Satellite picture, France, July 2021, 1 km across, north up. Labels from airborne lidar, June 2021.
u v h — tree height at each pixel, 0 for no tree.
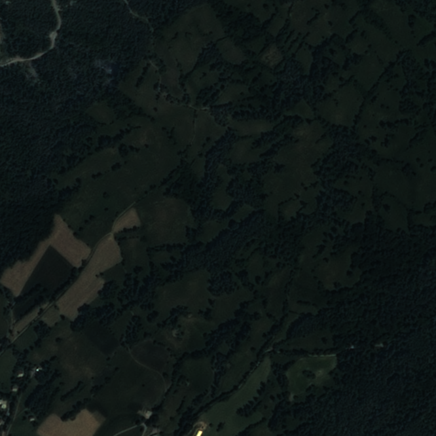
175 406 0
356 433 23
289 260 14
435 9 25
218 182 7
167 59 0
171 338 0
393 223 0
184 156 8
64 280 0
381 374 27
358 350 14
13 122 9
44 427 0
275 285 0
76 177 0
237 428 0
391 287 27
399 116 0
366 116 0
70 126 22
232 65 12
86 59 15
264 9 9
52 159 18
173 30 0
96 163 0
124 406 0
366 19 7
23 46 24
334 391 6
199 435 0
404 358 28
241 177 10
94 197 0
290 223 10
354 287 6
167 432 0
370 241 22
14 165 17
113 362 0
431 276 22
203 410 11
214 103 10
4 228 17
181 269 8
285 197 0
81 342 0
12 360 0
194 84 0
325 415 14
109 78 13
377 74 0
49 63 14
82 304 0
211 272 31
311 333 12
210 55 13
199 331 0
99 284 0
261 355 9
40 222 28
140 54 12
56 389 7
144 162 0
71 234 0
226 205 0
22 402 0
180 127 0
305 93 18
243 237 20
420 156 0
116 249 0
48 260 0
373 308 13
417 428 22
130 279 24
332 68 16
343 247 16
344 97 0
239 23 11
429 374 11
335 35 11
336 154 11
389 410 18
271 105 12
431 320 10
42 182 18
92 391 8
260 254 7
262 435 0
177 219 0
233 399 0
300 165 0
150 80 0
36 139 15
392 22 0
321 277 0
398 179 0
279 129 7
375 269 19
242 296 0
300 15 0
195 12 0
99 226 0
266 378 0
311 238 0
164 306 0
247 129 0
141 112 14
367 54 6
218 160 16
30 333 0
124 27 12
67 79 8
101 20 12
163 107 0
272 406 0
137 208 0
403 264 19
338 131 15
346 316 29
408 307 24
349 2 0
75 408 16
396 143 0
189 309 5
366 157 7
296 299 0
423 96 26
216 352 10
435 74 14
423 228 16
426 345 23
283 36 9
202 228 14
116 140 15
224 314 0
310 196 0
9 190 10
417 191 0
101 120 0
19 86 12
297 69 19
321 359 0
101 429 0
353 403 26
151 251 9
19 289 0
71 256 0
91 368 0
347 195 20
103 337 0
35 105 7
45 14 9
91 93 19
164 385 0
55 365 0
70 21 7
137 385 0
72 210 0
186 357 13
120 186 0
